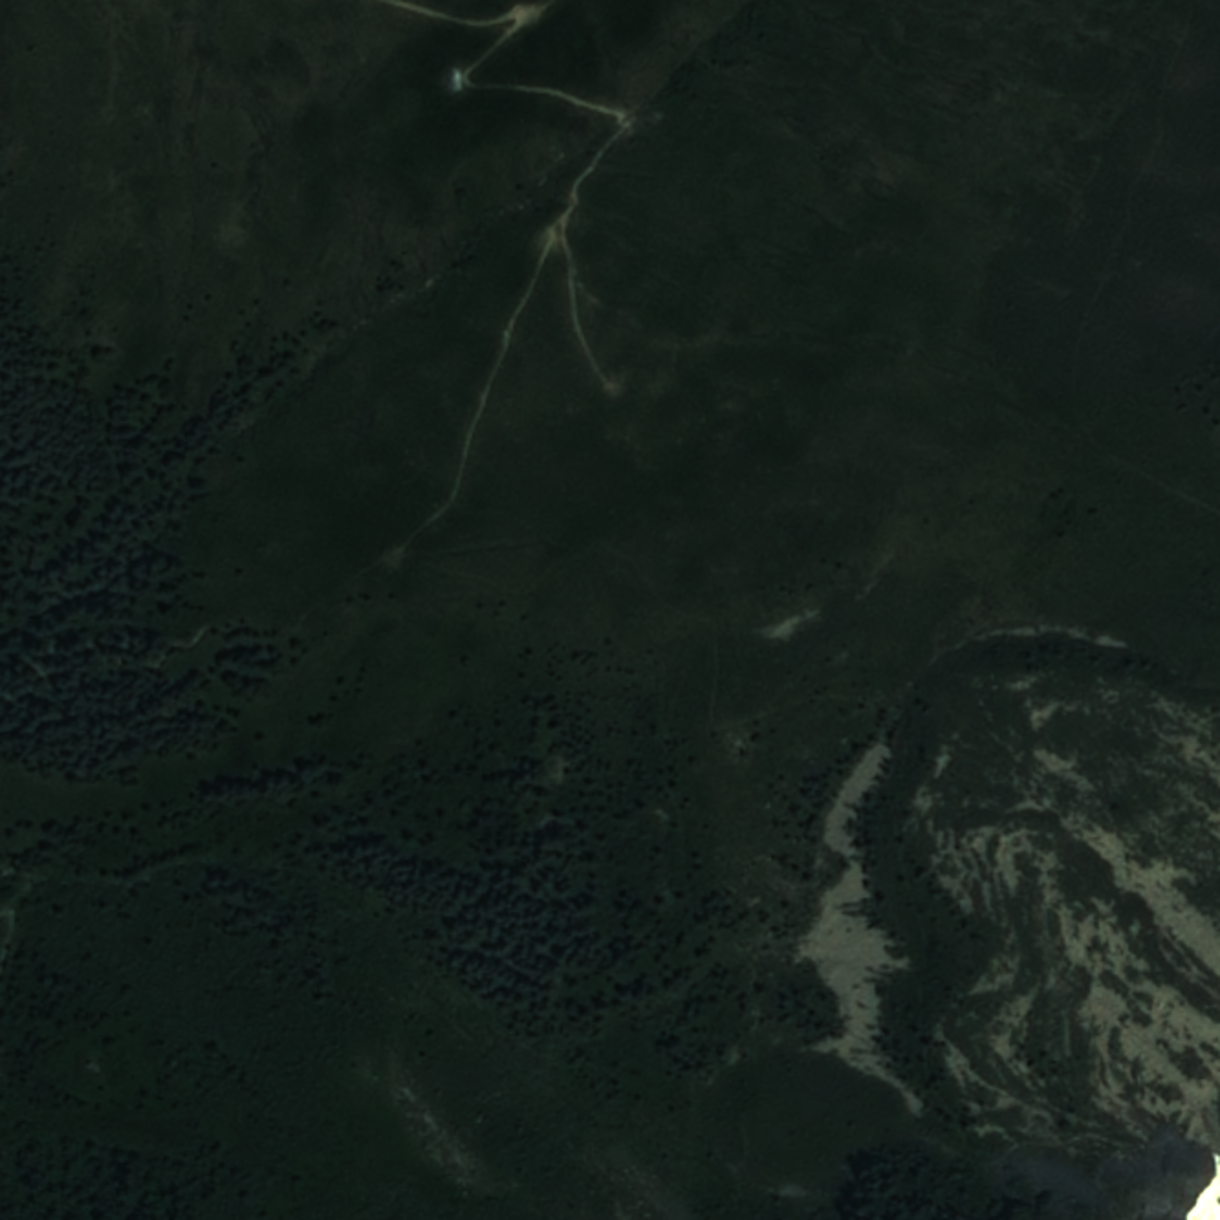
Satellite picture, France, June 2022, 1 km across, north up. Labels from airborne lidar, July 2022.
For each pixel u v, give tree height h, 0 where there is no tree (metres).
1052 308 0
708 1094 0
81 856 7
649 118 0
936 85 0
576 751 10
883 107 0
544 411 0
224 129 0
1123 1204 0
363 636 0
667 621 0
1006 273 0
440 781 12
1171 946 0
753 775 0
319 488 0
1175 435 0
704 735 0
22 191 0
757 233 0
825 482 0
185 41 0
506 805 12
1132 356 0
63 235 0
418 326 0
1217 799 0
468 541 0
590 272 0
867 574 0
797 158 0
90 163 0
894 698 0
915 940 0
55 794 0
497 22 0
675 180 0
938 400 0
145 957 0
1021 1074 0
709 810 0
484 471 0
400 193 0
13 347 14
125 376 0
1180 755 0
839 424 0
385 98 0
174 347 0
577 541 0
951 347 0
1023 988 0
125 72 0
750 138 0
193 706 16
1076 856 0
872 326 0
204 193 0
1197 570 0
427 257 0
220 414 18
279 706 0
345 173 0
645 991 21
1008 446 0
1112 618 0
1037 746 0
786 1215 0
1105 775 0
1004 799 0
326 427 0
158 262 0
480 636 0
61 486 22
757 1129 0
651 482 0
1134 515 0
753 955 0
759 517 0
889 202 0
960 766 0
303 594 0
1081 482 0
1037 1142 0
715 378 0
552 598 0
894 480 0
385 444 0
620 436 0
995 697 0
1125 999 0
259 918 13
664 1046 13
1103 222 0
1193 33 0
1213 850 0
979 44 0
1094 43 0
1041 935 0
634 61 0
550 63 0
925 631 0
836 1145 0
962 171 0
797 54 0
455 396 0
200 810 8
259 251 0
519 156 0
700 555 0
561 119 0
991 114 0
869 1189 15
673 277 0
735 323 0
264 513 0
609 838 9
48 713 32
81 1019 7
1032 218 0
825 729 0
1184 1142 0
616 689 0
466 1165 0
